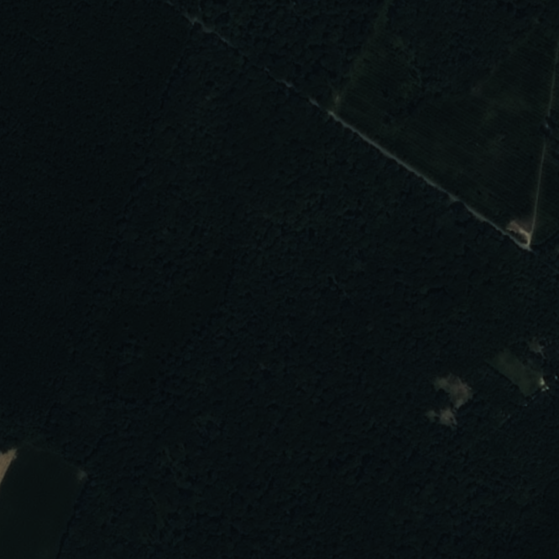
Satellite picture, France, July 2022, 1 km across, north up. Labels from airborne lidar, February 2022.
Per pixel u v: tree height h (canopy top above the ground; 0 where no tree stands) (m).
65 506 0
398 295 27
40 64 18
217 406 25
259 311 22
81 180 13
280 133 29
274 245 25
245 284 19
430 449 16
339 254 21
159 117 25
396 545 25
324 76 29
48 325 19
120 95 17
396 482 27
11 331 18
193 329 6
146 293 23
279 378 24
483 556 25
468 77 30
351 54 26
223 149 24
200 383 20
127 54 18
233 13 22
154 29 19
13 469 0
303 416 23
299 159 22
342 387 24
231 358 26
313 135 28
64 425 25
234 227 22
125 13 17
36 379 19
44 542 0
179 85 27
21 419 22
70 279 18
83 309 18
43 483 0
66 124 17
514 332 19
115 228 15
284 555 26
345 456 25
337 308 25
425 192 18
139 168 23
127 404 21
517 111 0
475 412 14
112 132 17
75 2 10
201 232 22
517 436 25
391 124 26
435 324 22
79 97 18
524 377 0
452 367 19
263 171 28
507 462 21
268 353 26
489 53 26
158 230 25
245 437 26
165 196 22
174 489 22
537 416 21
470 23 27
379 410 20
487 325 18
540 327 16
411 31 27
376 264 25
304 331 22
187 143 27
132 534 23
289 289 23
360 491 25
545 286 19
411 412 21
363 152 26
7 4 17
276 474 18
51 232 19
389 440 21
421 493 25
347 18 19
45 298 18
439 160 0
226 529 25
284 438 22
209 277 7
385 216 21
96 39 17
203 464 22
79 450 25
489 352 15
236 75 23
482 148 0
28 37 16
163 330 6
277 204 26
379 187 23
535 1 23
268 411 25
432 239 26
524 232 0
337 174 27
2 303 16
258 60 26
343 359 22
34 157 15
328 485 21
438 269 24
